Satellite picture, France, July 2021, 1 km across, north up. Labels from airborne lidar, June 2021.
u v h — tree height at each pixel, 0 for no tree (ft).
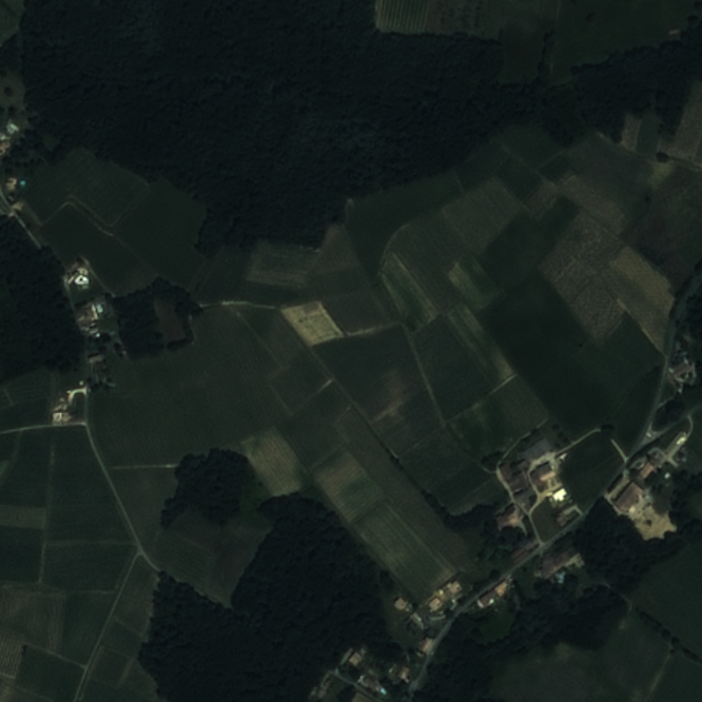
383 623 53
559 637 33
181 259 0
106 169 0
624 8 0
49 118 40
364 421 0
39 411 0
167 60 82
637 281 0
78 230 0
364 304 0
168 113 80
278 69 76
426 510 0
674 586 0
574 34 0
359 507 0
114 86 68
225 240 29
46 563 0
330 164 35
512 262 0
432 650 0
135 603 0
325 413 0
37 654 0
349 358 0
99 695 0
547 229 0
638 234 0
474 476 0
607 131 61
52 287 59
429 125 78
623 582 50
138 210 0
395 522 0
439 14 0
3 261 66
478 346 0
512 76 0
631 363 0
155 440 0
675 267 0
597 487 0
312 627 65
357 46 80
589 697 0
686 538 45
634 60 88
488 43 57
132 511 0
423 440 0
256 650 84
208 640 89
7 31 0
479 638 53
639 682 0
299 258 0
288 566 49
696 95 0
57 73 54
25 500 0
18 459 0
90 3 61
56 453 0
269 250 0
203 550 0
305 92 63
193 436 0
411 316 0
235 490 55
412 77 71
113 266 0
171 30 76
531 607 79
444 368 0
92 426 0
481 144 51
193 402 0
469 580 0
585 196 0
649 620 52
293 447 0
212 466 52
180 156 63
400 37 44
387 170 72
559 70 0
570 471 0
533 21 0
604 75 76
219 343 0
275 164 91
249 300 0
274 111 63
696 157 0
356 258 0
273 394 0
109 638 0
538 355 0
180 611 74
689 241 0
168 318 0
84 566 0
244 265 0
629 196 0
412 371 0
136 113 61
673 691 0
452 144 57
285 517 69
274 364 0
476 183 0
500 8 0
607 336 0
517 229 0
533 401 0
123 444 0
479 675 59
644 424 0
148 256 0
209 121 58
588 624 42
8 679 0
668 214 0
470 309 0
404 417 0
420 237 0
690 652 34
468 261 0
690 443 0
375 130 92
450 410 0
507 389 0
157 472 0
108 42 87
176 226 0
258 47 79
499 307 0
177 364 0
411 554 0
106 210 0
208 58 71
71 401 0
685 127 0
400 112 85
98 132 48
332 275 0
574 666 0
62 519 0
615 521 64
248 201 59
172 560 0
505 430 0
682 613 0
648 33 0
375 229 0
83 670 0
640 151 0
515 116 62
